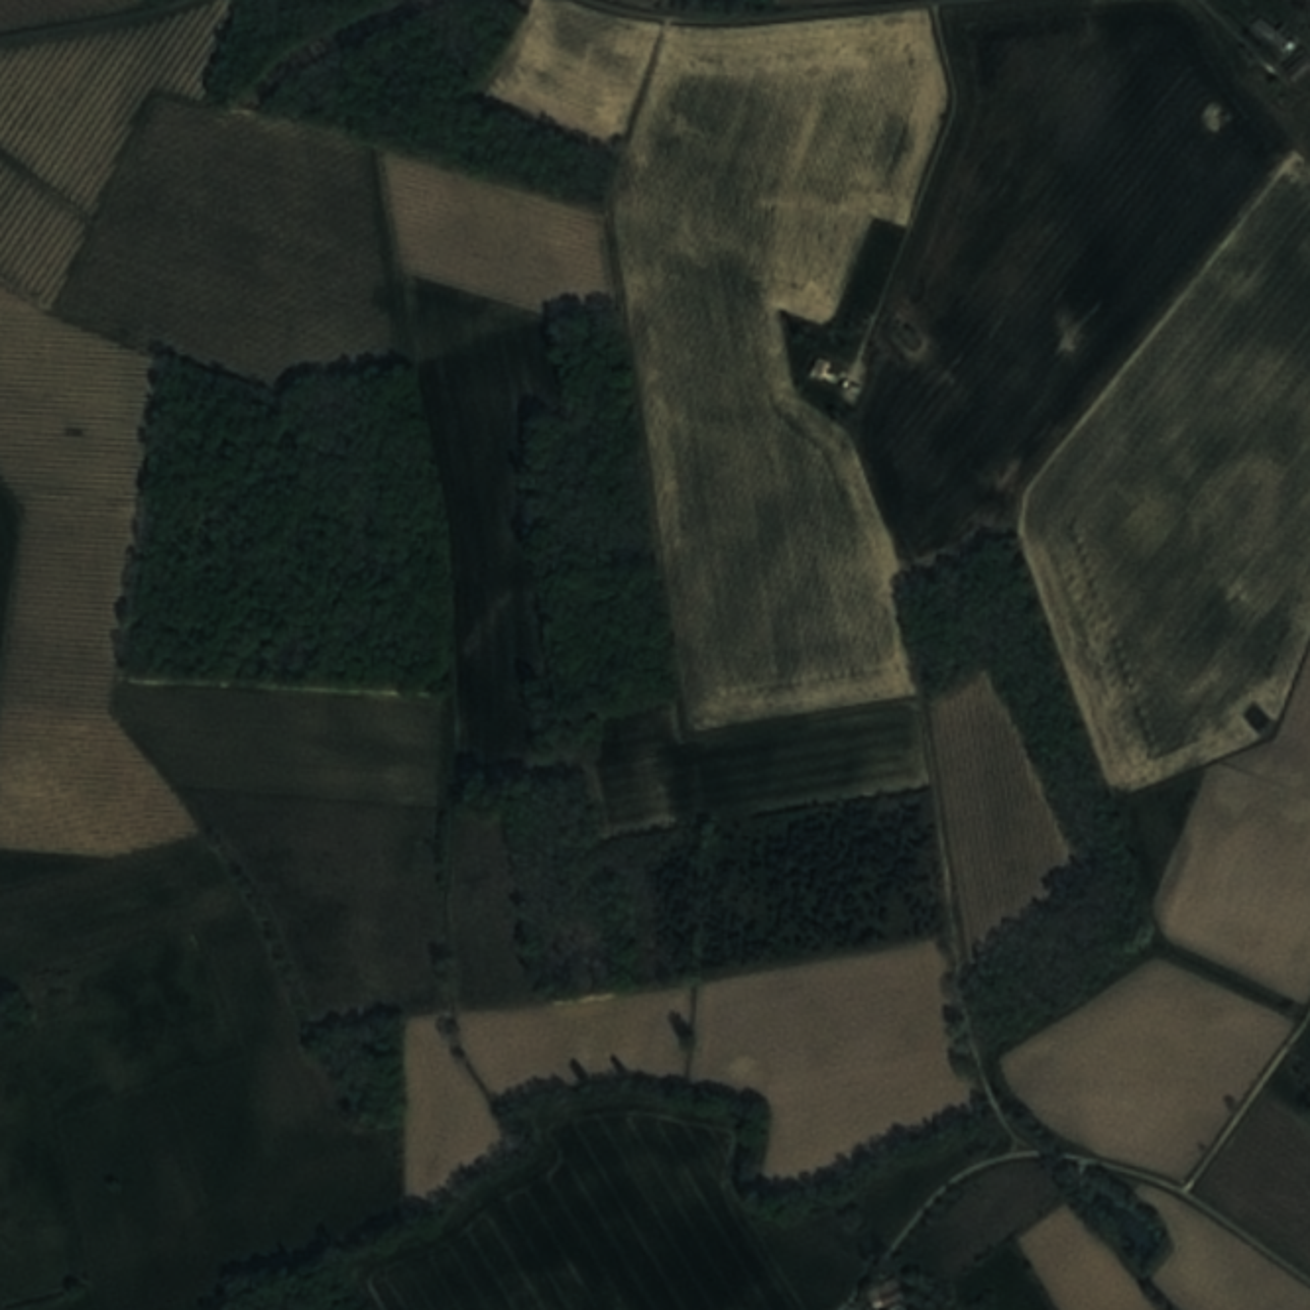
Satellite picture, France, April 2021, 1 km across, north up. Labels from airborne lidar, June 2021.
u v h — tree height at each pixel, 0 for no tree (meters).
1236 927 0
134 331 0
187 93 0
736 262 0
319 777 0
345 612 22
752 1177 14
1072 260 0
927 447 0
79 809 0
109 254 0
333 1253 26
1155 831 0
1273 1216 0
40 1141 0
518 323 0
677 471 0
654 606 24
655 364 0
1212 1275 0
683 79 0
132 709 0
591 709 21
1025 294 0
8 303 0
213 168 0
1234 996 0
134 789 0
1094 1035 0
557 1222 0
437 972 12
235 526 18
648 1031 0
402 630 21
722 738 0
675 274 0
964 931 0
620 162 14
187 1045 0
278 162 0
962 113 0
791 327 7
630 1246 0
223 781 0
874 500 0
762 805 0
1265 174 0
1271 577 0
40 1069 0
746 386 0
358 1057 21
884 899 8
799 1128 0
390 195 0
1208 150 0
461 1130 0
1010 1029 19
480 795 27
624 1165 0
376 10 24
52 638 0
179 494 17
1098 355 0
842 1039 0
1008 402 0
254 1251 0
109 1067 0
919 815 9
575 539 23
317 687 14
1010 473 0
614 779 0
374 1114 22
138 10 0
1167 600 0
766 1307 0
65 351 0
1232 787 0
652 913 10
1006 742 0
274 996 0
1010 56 0
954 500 0
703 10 14
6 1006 21
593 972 15
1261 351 0
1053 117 0
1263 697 0
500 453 0
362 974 0
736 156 0
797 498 0
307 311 0
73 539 0
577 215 0
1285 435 0
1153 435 0
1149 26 0
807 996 0
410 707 0
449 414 0
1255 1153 0
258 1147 0
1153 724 0
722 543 0
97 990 0
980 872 0
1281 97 0
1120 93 0
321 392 20
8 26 0
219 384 18
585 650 17
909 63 0
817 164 0
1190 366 0
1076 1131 0
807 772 0
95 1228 0
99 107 0
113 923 0
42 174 0
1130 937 24
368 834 0
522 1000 0
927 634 19
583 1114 0
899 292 0
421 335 0
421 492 25
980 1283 0
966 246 0
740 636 0
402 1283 0
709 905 7
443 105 28
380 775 0
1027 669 17
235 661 18
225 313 0
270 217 0
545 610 17
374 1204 0
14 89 0
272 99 21
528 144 22
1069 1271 0
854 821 9
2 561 0
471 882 0
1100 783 20
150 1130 0
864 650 0
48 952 0
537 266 0
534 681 21
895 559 0
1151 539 0
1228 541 0
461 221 0
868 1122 0
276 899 0
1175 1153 0
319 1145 0
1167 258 0
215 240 0
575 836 17
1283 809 0
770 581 0
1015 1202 0
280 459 18
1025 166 0
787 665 0
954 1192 11
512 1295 0
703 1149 0
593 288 0
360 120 25
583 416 23
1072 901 19
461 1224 0
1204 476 0
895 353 0
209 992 0
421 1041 0
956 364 0
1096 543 0
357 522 21
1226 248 0
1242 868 0
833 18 0
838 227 0
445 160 22
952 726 0
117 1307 0
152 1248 0
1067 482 0
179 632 16
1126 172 0
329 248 0
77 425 0
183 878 0
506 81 0
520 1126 14
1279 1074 0
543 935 15
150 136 0
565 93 0
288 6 19
